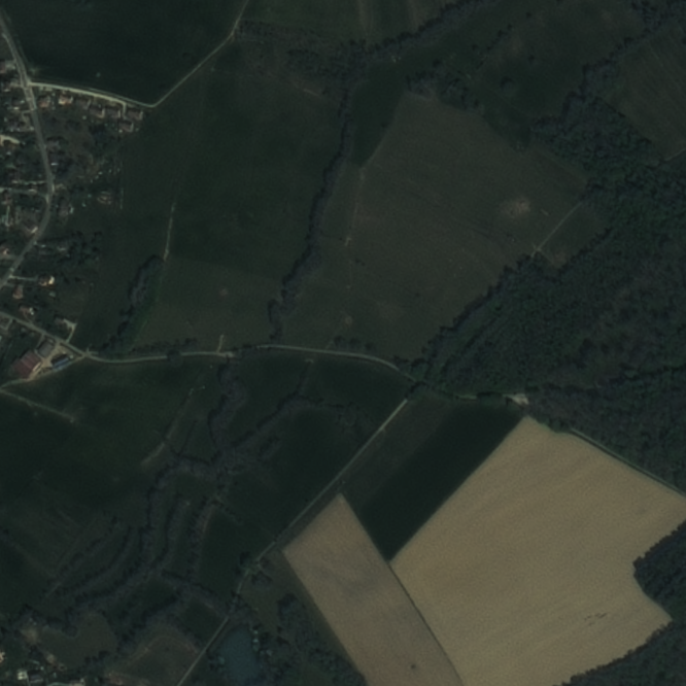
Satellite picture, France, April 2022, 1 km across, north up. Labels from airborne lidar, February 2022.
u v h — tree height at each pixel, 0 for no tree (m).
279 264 0
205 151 0
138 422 0
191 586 20
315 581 0
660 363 29
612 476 0
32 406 0
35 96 0
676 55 0
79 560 16
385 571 0
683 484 28
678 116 0
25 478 0
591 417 27
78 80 0
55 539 0
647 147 18
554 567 0
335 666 23
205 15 0
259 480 0
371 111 0
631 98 0
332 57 0
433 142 0
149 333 0
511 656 0
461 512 0
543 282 20
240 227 0
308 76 0
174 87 0
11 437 0
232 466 23
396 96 0
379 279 0
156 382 0
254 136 0
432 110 0
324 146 0
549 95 0
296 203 0
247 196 0
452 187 0
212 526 0
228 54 0
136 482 0
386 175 0
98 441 0
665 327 29
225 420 20
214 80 0
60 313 0
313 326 0
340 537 0
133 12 0
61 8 0
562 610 0
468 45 0
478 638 0
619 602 0
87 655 0
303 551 0
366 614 0
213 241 0
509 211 0
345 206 0
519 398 0
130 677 0
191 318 0
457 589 0
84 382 0
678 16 20
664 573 16
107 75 0
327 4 0
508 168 0
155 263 14
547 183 0
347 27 0
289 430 0
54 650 0
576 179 0
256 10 0
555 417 27
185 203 0
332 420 0
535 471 0
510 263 0
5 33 0
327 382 0
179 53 0
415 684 0
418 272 0
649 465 26
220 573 0
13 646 0
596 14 0
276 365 0
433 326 0
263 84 0
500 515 0
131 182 0
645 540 0
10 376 0
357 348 17
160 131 0
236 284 0
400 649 0
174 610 23
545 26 0
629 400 29
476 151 0
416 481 0
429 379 17
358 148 0
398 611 0
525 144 0
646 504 0
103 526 0
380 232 0
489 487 0
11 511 0
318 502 0
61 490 0
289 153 0
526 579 0
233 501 0
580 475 0
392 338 0
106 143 22
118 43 0
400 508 0
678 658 30
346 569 0
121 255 0
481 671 0
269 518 0
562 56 0
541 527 0
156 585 0
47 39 0
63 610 0
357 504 0
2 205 0
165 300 0
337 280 0
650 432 29
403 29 0
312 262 22
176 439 0
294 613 26
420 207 0
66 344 0
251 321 0
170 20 0
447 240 0
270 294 0
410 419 0
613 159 23
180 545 0
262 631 16
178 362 21
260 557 0
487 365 18
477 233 0
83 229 0
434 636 0
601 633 0
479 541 0
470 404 0
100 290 0
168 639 0
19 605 0
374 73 0
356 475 0
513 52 0
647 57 0
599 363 29
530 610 0
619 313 26
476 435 0
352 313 0
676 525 0
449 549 0
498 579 0
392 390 0
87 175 0
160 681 0
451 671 0
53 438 0
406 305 0
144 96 0
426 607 0
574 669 0
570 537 0
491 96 0
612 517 0
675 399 27
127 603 0
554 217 0
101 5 0
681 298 32
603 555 0
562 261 0
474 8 15
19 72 0
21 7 0
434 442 0
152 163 0
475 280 0
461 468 0
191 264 0
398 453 0
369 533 0
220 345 0
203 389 0
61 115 0
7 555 0
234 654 0
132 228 0
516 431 0
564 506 0
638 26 0
